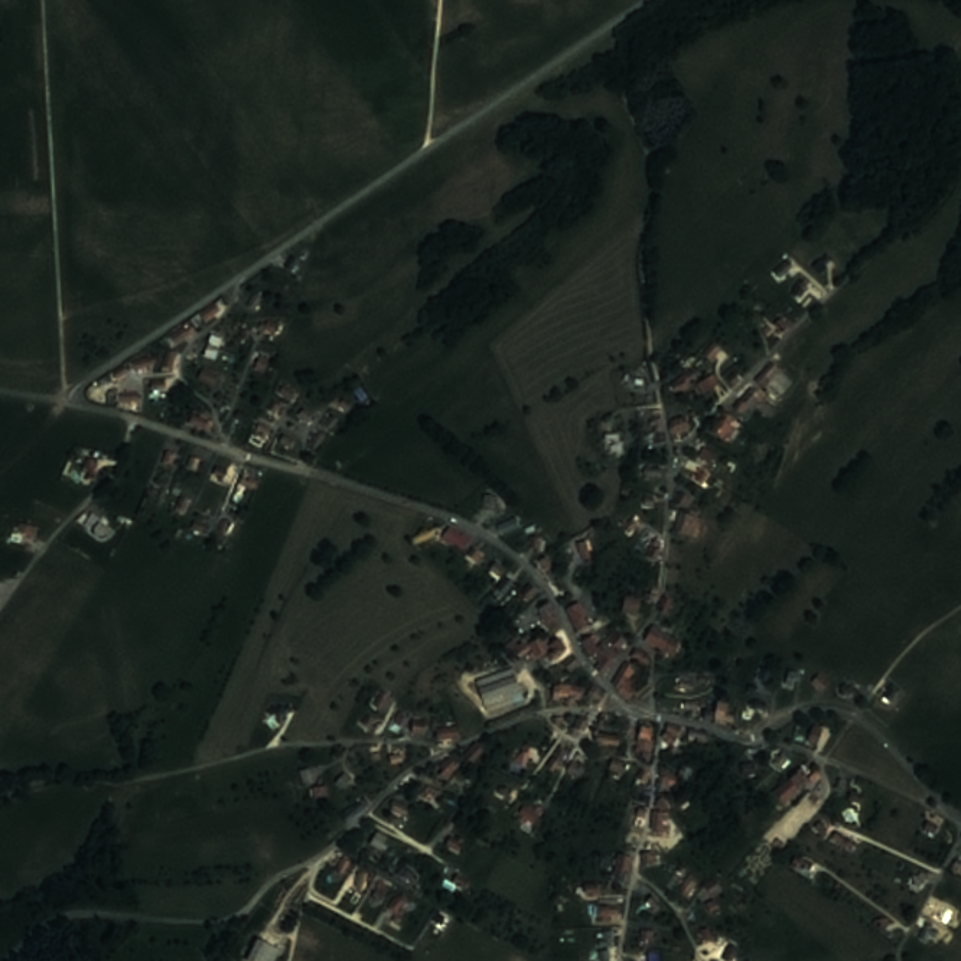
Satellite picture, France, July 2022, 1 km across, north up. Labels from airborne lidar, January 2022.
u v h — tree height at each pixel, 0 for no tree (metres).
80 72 0
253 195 0
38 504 0
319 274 0
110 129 0
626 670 0
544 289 0
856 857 0
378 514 0
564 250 0
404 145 0
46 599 0
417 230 0
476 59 0
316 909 6
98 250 0
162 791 0
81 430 0
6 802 17
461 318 7
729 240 0
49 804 0
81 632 0
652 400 0
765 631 0
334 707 8
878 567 0
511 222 0
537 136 18
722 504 0
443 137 0
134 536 0
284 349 0
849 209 6
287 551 0
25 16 0
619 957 0
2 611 0
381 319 0
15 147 0
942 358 0
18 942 0
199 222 0
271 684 0
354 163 0
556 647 0
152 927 0
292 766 0
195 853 0
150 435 0
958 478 15
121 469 10
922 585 0
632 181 0
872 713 0
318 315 0
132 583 0
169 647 0
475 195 0
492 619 17
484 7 0
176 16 0
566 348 0
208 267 0
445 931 0
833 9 0
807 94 0
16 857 0
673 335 0
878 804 6
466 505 0
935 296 9
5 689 0
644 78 24
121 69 0
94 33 0
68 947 20
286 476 0
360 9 0
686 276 0
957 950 0
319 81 0
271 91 0
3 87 0
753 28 0
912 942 0
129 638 0
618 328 0
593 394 0
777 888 0
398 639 0
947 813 0
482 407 0
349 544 0
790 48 0
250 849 0
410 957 8
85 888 21
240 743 0
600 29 0
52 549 0
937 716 0
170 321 0
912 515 0
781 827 0
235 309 0
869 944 0
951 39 0
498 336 0
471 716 0
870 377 0
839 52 0
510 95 0
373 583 0
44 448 0
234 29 0
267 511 0
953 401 0
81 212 0
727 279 0
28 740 0
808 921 0
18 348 0
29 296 0
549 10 0
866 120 19
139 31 0
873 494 0
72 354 0
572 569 0
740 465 0
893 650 0
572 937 0
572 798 6
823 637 0
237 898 0
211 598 0
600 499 14
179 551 0
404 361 0
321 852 0
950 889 0
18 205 0
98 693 0
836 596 0
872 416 0
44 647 0
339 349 0
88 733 0
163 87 0
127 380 0
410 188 0
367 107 0
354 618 0
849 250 0
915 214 22
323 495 0
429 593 0
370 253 0
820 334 0
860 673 0
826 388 15
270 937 0
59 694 0
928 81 25
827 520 0
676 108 28
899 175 21
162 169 0
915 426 0
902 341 0
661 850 0
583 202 17
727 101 0
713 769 9
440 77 0
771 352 0
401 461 0
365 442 0
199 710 0
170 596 0
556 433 0
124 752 16
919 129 25
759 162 0
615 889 13
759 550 0
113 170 0
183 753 0
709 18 23
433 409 0
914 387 0
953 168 22
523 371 0
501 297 8
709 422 12
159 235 0
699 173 0
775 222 0
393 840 0
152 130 0
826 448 0
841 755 0
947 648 0
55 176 0
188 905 0
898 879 0
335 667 0
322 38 0
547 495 0
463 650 5
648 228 9
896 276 0
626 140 0
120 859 12
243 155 0
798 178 0
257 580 0
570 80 10
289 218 0
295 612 0
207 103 0
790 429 0
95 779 11
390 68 0
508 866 0
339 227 0
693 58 0
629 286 0
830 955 0
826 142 0
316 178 0
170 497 0
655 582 0
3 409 0
